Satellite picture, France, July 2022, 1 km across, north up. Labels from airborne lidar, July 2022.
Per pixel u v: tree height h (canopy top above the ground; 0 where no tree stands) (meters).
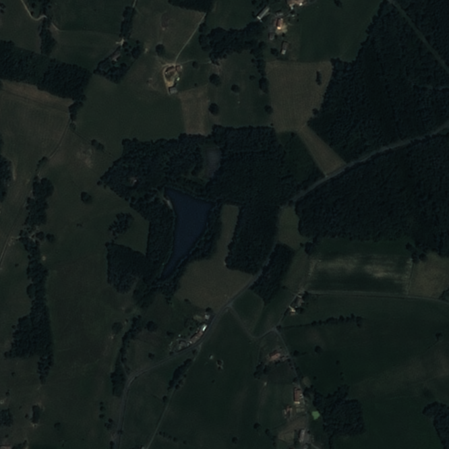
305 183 8
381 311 0
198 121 0
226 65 0
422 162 14
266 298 13
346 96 11
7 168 13
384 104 11
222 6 0
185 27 0
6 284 0
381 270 0
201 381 0
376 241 22
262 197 16
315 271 0
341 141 9
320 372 0
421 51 26
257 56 16
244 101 0
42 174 0
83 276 0
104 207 0
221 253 0
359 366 0
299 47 0
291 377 0
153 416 0
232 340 0
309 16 0
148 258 16
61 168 0
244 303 0
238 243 11
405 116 26
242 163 20
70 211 0
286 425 0
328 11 0
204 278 0
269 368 7
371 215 28
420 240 6
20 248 0
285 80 0
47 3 13
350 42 0
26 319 16
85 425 0
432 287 0
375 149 13
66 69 16
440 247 14
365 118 20
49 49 7
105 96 0
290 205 9
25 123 0
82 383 0
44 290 23
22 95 0
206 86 0
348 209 21
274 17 0
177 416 0
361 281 0
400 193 23
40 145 0
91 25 0
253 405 0
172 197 0
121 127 0
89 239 0
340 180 17
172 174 26
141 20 0
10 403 0
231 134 17
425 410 12
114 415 0
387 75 24
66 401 0
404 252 0
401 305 0
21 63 12
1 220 0
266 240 15
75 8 0
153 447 0
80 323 0
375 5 0
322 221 24
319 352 16
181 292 0
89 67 0
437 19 19
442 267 0
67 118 0
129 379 0
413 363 0
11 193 0
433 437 0
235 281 0
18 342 17
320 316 0
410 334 0
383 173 21
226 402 0
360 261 0
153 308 0
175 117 0
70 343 0
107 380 0
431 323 0
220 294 0
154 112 0
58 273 0
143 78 0
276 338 0
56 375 0
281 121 0
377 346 0
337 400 7
